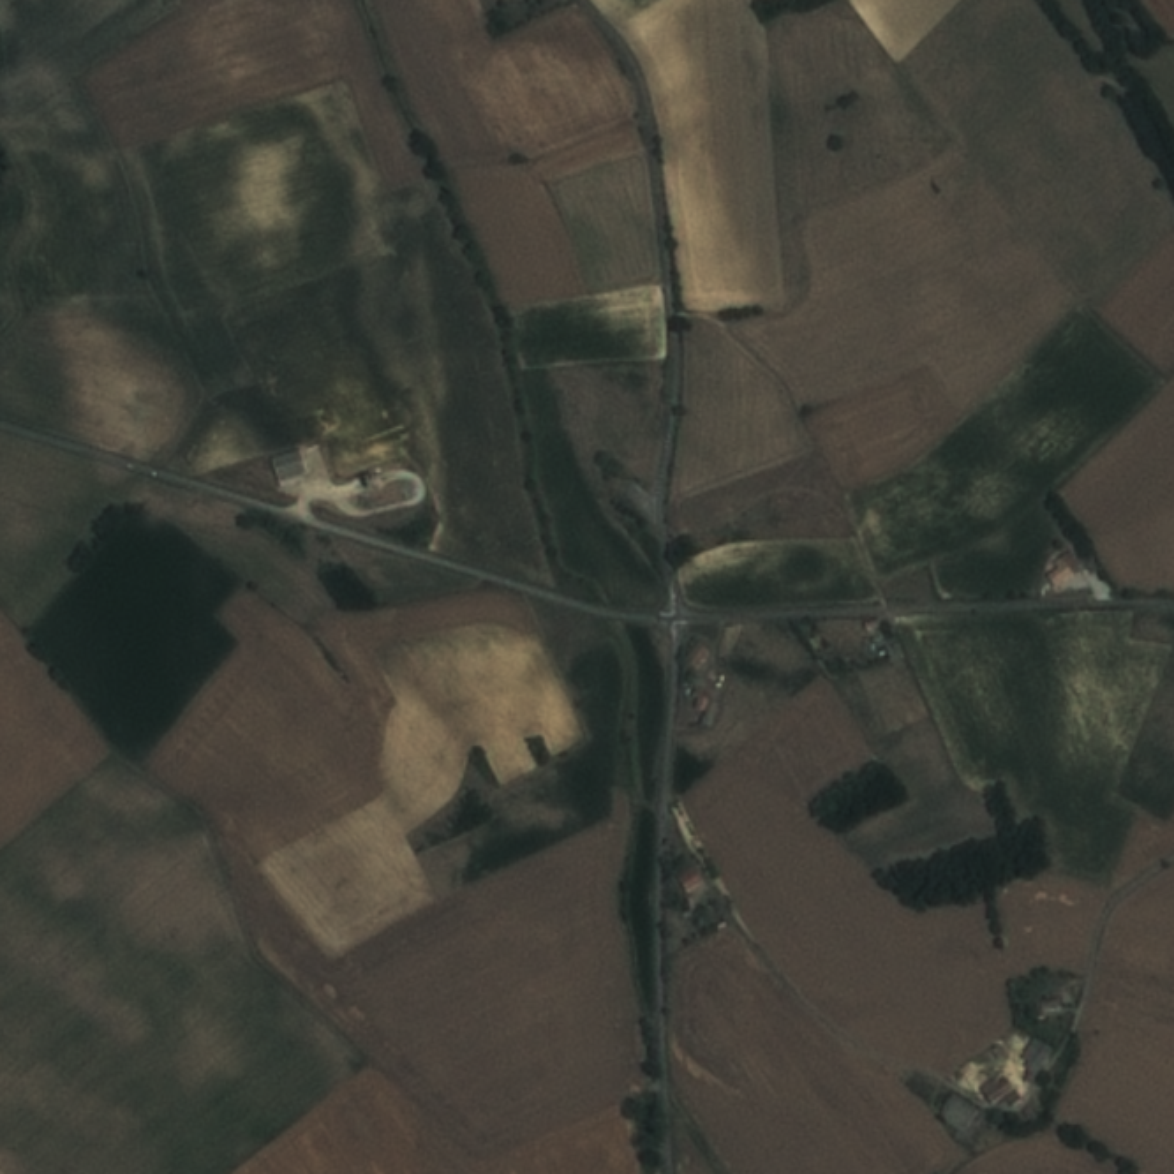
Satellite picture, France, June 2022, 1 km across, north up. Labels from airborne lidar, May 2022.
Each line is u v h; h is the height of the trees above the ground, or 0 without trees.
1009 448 0
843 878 0
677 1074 0
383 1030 0
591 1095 0
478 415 0
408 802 0
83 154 0
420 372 0
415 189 0
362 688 0
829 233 0
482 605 0
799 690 0
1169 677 0
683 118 0
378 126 0
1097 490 0
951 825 0
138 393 0
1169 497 0
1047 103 0
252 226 0
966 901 19
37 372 0
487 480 0
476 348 0
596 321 0
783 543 0
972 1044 0
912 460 0
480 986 0
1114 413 0
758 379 0
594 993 0
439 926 0
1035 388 0
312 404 0
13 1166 0
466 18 0
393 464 0
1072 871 0
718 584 0
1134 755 0
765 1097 0
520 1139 0
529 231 0
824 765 0
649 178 0
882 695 0
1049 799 0
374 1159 0
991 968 0
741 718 0
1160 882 0
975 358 0
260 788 0
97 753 0
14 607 0
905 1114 0
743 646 0
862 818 13
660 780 0
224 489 0
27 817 0
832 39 0
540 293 0
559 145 0
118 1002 0
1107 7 28
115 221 0
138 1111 0
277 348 0
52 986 0
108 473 0
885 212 0
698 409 0
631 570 0
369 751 0
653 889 0
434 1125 0
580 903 0
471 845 0
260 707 0
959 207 0
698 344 0
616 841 0
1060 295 0
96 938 0
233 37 0
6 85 0
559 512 0
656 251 0
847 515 0
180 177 0
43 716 0
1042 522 0
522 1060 0
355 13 0
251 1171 0
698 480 0
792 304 0
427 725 0
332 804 0
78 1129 0
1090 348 0
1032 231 0
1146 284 0
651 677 0
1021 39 0
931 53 0
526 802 0
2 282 0
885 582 0
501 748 0
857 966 0
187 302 0
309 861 0
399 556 0
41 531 0
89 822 0
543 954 0
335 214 0
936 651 0
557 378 0
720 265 0
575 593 0
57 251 0
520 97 0
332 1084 0
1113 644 0
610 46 0
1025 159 0
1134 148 0
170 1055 0
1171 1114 0
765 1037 0
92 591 0
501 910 0
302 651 0
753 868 0
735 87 0
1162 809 0
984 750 0
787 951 0
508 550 0
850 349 0
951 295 0
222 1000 0
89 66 0
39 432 0
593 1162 0
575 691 0
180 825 0
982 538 0
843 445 0
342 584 13
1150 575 0
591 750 0
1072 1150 12
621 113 0
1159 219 0
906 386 0
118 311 0
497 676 0
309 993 0
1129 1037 0
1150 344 0
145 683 0
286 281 0
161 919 0
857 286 0
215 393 0
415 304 0
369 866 0
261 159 0
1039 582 0
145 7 0
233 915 0
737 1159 0
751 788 0
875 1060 0
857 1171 0
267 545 0
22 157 0
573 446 0
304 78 0
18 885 0
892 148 0
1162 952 0
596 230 0
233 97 0
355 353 0
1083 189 0
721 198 0
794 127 0
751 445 0
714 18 0
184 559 0
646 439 0
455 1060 0
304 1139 0
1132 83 16
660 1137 25
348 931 0
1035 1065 0
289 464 0
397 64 0
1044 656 0
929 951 0
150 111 0
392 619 0
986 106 0
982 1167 0
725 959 0
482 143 0
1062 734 0
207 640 0
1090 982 0
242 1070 0
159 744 0
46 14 0
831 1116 0
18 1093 0
